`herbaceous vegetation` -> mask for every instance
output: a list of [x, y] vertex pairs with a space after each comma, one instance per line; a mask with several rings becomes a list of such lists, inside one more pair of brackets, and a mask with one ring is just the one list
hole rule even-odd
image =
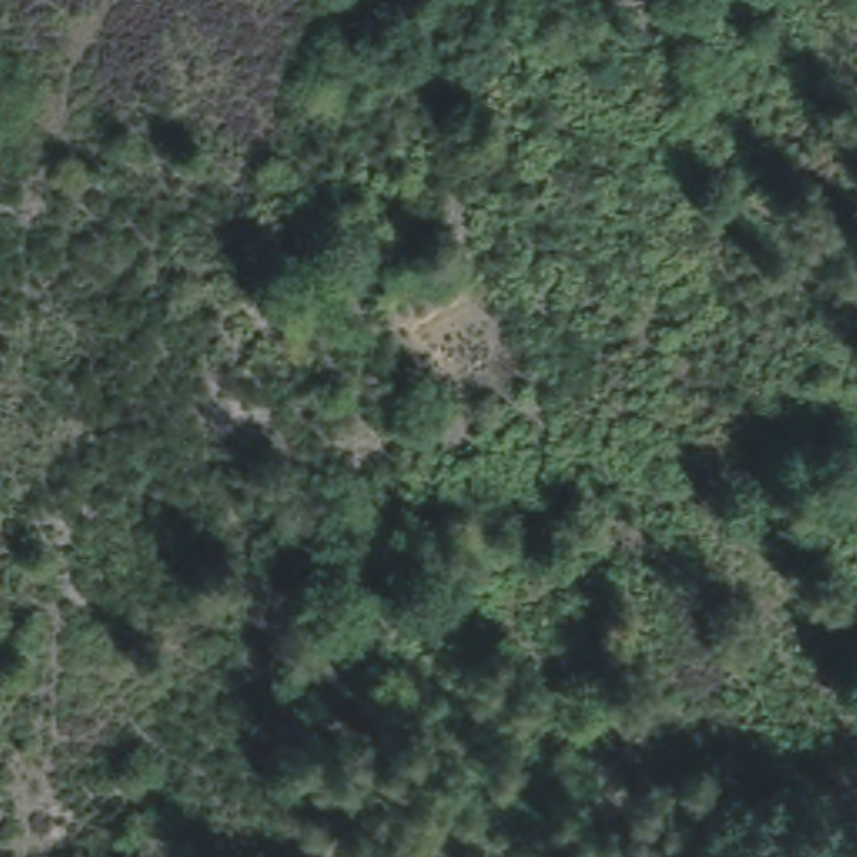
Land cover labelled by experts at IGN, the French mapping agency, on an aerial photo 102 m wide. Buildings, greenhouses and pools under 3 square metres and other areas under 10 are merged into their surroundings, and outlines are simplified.
[[301, 40], [301, 33], [288, 27], [281, 17], [291, 7], [291, 0], [0, 0], [0, 44], [17, 47], [20, 64], [30, 74], [44, 77], [54, 90], [40, 117], [40, 131], [54, 134], [57, 141], [80, 141], [94, 127], [94, 107], [110, 110], [124, 124], [127, 141], [141, 147], [147, 144], [151, 117], [181, 117], [191, 127], [198, 154], [211, 154], [211, 164], [238, 161], [244, 167], [254, 141], [261, 141], [271, 131], [278, 80], [291, 57], [291, 47]]

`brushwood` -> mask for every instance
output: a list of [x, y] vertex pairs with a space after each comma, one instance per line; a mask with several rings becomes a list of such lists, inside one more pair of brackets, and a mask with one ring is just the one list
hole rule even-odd
[[110, 110], [94, 107], [94, 127], [80, 141], [57, 141], [54, 134], [40, 131], [40, 117], [54, 90], [44, 77], [30, 74], [20, 64], [17, 47], [0, 44], [0, 857], [636, 857], [633, 840], [656, 840], [663, 824], [673, 824], [676, 810], [703, 817], [713, 807], [716, 793], [730, 803], [743, 803], [747, 810], [753, 810], [763, 800], [773, 800], [777, 807], [787, 807], [787, 820], [793, 820], [807, 803], [824, 800], [840, 780], [857, 780], [857, 0], [291, 0], [291, 7], [281, 17], [288, 27], [301, 33], [301, 40], [291, 47], [291, 57], [278, 80], [271, 131], [261, 141], [254, 141], [244, 167], [238, 161], [211, 164], [211, 154], [198, 154], [191, 127], [181, 117], [151, 117], [147, 144], [141, 147], [127, 141], [124, 124]]

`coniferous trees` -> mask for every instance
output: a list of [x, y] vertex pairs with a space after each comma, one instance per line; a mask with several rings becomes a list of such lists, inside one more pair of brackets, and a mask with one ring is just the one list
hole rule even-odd
[[703, 817], [676, 810], [673, 824], [663, 824], [656, 840], [633, 840], [636, 857], [857, 857], [857, 780], [840, 780], [824, 800], [807, 803], [793, 820], [787, 820], [787, 807], [777, 807], [773, 800], [763, 800], [753, 810], [747, 810], [743, 803], [730, 803], [716, 793], [713, 807]]

